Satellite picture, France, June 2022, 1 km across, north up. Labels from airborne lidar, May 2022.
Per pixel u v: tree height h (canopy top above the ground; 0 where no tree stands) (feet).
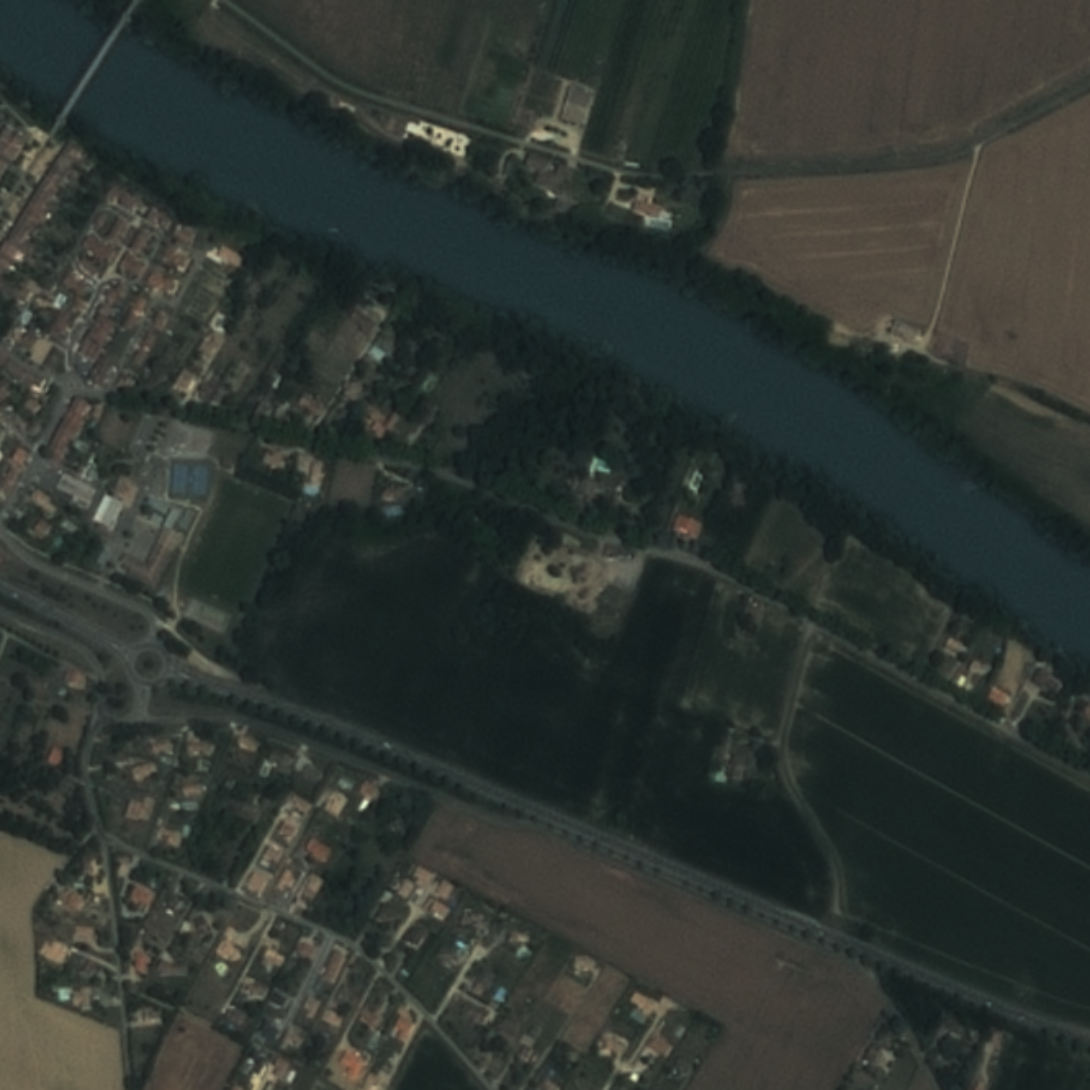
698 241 35
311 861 25
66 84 0
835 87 0
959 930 0
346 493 0
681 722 0
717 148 53
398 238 0
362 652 0
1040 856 0
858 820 0
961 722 0
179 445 0
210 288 0
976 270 0
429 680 0
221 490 0
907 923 0
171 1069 0
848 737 0
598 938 0
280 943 0
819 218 0
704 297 62
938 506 0
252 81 86
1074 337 0
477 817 0
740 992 0
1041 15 0
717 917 0
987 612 70
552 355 104
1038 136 0
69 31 0
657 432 72
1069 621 0
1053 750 98
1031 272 0
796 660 0
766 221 0
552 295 0
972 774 0
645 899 0
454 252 0
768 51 0
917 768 0
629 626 0
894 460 0
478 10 0
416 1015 0
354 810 0
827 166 0
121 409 66
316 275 26
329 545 0
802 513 28
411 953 33
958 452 53
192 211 51
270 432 64
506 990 0
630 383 43
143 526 0
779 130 0
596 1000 0
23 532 30
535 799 0
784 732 0
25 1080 0
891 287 0
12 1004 0
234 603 0
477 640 0
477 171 23
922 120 0
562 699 0
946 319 0
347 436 71
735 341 0
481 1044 31
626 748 0
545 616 26
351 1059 0
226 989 0
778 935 0
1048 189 0
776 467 57
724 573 83
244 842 29
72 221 27
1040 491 0
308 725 35
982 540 0
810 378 0
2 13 0
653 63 0
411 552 0
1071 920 0
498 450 66
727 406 0
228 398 31
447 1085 0
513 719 0
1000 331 0
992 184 0
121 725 20
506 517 46
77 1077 0
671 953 0
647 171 27
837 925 0
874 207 0
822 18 0
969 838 0
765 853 0
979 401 0
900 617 0
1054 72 0
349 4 0
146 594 23
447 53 0
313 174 0
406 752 0
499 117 0
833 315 0
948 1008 41
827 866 0
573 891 0
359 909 52
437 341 37
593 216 36
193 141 0
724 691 0
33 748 20
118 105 0
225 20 0
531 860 0
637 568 0
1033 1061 0
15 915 0
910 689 0
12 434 0
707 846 0
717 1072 0
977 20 0
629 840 0
